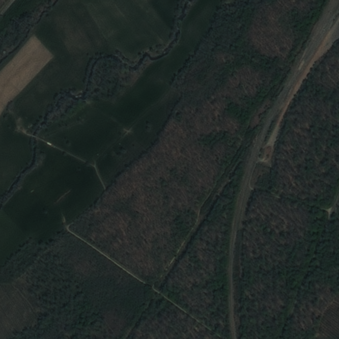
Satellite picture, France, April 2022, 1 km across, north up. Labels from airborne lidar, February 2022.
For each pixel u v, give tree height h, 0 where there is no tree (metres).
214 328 25
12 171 0
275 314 29
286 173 27
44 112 0
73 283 27
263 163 0
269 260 26
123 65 22
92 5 0
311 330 27
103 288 10
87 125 0
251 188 0
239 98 17
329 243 23
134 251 19
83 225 13
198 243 24
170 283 26
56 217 0
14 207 0
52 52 0
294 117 26
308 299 28
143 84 0
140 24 0
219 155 21
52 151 0
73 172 0
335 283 24
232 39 28
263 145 0
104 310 14
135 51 0
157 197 0
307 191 28
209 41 25
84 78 0
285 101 0
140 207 22
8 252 0
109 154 0
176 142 20
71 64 0
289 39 21
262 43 0
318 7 21
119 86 20
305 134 27
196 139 20
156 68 0
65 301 26
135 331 15
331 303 20
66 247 11
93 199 0
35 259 13
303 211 31
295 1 0
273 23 0
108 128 0
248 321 28
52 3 22
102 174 0
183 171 16
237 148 9
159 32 0
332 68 24
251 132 6
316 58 0
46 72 0
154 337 27
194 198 19
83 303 18
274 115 0
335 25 0
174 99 0
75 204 0
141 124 0
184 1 15
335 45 9
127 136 0
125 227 21
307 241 30
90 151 0
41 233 0
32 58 0
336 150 28
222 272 28
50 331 21
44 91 0
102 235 22
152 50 15
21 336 20
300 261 27
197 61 14
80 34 0
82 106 11
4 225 0
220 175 17
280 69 21
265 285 26
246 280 24
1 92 0
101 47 0
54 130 0
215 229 29
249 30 23
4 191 0
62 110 19
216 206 16
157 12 0
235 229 0
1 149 0
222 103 21
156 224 0
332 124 30
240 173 19
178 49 0
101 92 19
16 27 21
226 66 19
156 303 7
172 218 18
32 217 0
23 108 0
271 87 13
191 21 0
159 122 0
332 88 31
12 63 0
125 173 13
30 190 0
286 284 28
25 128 0
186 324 25
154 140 0
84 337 24
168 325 23
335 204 0
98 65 20
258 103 17
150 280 16
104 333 16
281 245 24
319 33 0
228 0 0
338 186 29
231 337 21
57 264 26
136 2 0
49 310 23
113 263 13
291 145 26
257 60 20
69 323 23
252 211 25
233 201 21
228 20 24
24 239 0
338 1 0
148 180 19
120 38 0
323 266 26
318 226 29
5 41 21
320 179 26
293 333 25
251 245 29
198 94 19
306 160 12
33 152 13
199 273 27
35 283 24
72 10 0
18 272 18
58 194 0
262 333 28
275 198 28
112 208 20
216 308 27
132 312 14
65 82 0
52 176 0
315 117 25
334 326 6
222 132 17
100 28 0
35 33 0
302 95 25
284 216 29
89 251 13
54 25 0
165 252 0
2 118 0
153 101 0
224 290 20
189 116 17
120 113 0
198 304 24
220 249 23
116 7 0
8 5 0
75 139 0
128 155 0
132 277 11
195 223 17
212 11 0
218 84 17
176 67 0
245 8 22
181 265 19
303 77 0
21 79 0
